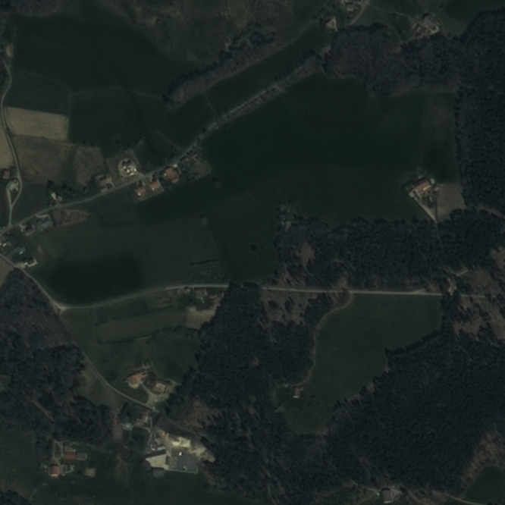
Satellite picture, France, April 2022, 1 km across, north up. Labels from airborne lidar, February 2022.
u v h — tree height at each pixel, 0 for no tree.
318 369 0
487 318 27
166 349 0
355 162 0
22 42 0
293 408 0
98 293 0
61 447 0
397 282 18
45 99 0
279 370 29
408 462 22
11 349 28
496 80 19
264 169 0
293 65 0
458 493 21
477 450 22
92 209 0
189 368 0
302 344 24
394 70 32
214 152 0
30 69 0
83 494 0
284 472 28
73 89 0
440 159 0
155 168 0
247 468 28
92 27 0
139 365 0
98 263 0
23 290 30
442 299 0
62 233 0
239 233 0
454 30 0
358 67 25
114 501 0
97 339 0
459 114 15
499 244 22
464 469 20
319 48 0
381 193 0
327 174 0
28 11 31
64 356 31
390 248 21
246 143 0
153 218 0
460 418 25
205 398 22
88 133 0
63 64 0
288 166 0
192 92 26
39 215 0
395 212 0
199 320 0
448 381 24
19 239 0
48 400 9
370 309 0
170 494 0
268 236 0
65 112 0
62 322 24
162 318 0
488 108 22
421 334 0
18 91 0
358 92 0
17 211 0
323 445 28
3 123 0
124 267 0
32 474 0
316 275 23
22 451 0
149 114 0
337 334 0
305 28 0
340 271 18
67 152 0
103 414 16
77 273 0
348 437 34
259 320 20
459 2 0
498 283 30
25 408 26
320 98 0
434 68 27
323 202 0
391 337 0
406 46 0
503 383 27
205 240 0
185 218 0
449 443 24
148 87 0
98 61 0
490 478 0
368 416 29
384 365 0
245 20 0
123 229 0
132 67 0
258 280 0
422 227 14
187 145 0
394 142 0
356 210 0
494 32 17
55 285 0
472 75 27
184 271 0
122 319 0
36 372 28
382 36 29
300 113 0
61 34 0
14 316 29
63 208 0
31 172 0
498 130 22
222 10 0
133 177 0
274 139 0
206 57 0
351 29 0
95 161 0
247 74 0
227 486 8
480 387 26
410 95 0
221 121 14
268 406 25
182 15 0
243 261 0
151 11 0
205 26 0
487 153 20
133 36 0
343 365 0
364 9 0
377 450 28
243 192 0
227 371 28
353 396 0
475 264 30
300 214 0
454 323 23
